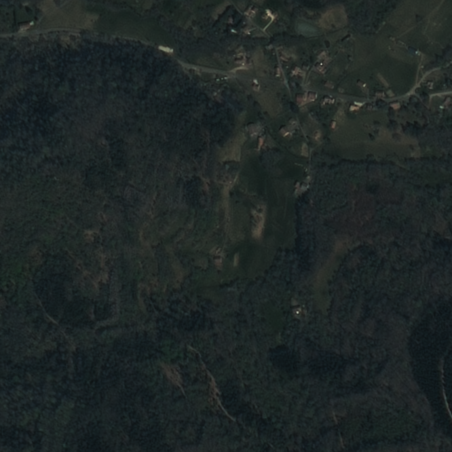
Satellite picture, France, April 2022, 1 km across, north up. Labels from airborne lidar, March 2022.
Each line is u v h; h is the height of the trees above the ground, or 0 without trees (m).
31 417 35
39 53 7
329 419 26
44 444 30
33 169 25
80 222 20
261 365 25
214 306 21
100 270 6
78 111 23
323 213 16
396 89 0
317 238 28
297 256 17
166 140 20
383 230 12
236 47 0
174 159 31
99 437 18
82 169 20
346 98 0
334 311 16
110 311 15
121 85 36
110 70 32
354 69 0
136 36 0
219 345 30
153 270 0
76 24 0
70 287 26
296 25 0
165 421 19
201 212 18
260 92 0
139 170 21
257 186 0
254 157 0
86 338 27
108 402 18
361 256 18
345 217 11
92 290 24
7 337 28
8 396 38
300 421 5
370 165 18
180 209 12
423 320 26
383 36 0
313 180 8
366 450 23
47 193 13
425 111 19
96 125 30
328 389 27
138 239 10
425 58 0
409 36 0
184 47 18
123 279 22
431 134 22
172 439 17
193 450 27
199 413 35
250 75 0
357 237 11
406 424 8
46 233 29
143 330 17
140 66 34
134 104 34
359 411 10
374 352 22
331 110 6
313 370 31
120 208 30
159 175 26
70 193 16
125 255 27
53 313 20
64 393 12
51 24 0
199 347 19
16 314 27
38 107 15
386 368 24
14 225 24
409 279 19
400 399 15
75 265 22
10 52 10
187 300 10
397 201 11
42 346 33
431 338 18
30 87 20
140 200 30
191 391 31
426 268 29
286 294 6
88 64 30
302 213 26
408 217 17
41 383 28
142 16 10
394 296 16
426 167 17
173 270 10
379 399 27
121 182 14
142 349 21
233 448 32
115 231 32
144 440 15
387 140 0
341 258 0
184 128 30
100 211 25
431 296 21
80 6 0
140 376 25
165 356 23
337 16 0
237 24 7
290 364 27
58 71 12
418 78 0
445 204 26
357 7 16
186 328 19
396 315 28
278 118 0
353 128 0
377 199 10
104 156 15
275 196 0
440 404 18
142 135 22
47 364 35
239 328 26
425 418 23
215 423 34
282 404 23
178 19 0
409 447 21
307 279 27
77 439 20
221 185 0
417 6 0
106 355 20
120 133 20
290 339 20
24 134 25
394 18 0
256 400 33
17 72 28
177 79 27
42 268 14
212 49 15
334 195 13
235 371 21
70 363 28
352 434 7
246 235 0
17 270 16
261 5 0
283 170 0
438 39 0
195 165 25
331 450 22
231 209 0
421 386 19
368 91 0
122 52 19
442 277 27
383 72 0
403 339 25
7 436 19
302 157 0
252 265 0
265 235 0
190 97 31
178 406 26
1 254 31
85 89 34
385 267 22
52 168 19
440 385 20
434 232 17
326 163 7
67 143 24
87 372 31
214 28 15
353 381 31
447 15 0
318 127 0
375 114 0
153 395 19
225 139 26
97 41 19
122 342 19
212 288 0
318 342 25
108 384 22
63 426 30
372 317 32
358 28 17
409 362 21
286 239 0
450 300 26
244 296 18
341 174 15
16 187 15
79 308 17
